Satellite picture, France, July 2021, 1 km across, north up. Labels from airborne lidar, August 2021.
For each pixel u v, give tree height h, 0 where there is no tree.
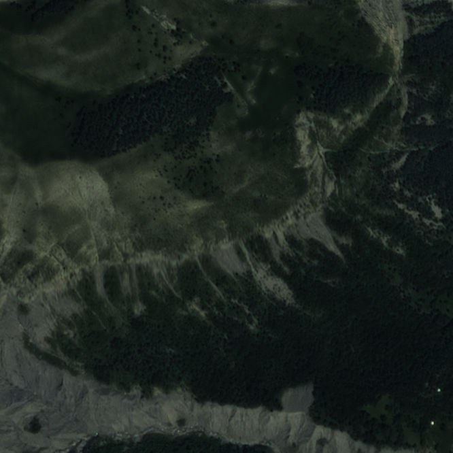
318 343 15
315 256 9
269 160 0
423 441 11
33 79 0
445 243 11
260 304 8
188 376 6
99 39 0
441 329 18
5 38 0
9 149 0
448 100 10
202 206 0
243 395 16
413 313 12
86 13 0
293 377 21
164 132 6
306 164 0
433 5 12
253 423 0
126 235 0
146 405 0
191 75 19
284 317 16
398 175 10
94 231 0
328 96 18
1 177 0
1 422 0
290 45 0
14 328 0
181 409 0
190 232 0
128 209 0
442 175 23
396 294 10
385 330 10
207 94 13
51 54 0
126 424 0
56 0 14
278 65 0
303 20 0
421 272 8
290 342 7
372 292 8
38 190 0
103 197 0
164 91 19
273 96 0
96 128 15
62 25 0
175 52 0
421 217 9
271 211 0
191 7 0
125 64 0
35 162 0
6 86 0
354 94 20
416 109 16
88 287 7
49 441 0
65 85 0
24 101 0
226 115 0
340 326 7
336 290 9
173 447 6
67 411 0
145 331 14
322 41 0
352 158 7
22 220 0
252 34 0
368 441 14
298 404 0
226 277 7
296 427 0
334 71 15
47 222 0
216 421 0
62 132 0
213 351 9
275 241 8
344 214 7
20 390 0
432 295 7
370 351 16
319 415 9
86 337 7
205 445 9
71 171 0
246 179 0
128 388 8
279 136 9
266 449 7
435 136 12
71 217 0
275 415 0
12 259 0
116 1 0
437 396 8
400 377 17
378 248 10
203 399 12
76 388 0
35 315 0
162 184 0
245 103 0
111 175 0
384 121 7
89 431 0
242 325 15
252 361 20
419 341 24
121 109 14
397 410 7
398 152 7
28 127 0
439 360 12
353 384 17
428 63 11
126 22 0
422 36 14
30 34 0
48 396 0
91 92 0
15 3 9
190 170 8
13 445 0
